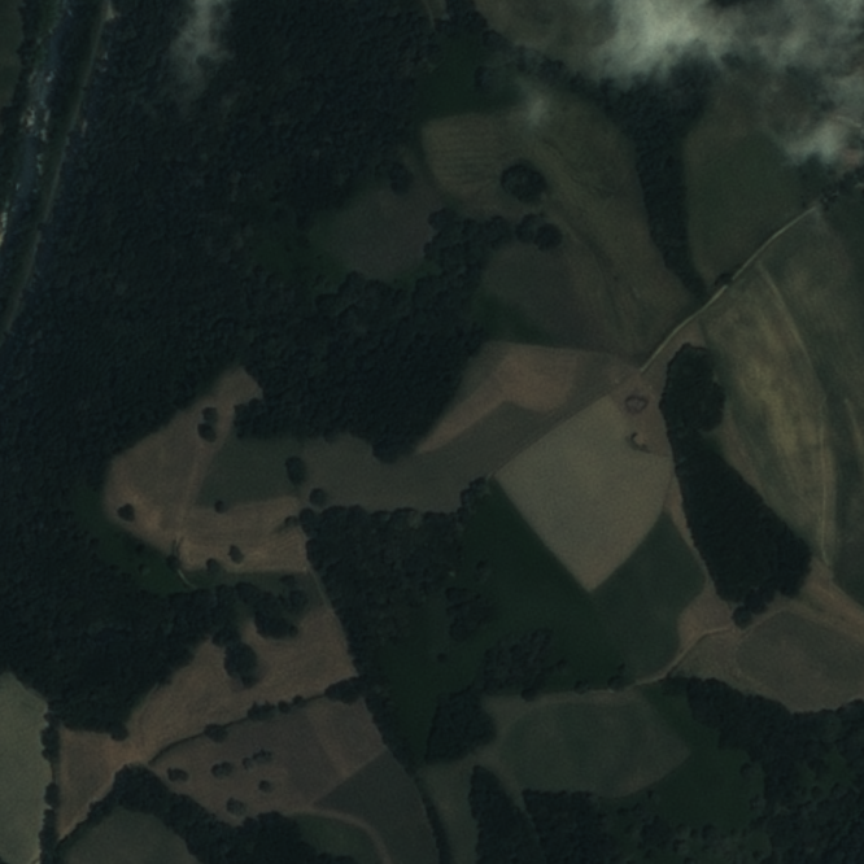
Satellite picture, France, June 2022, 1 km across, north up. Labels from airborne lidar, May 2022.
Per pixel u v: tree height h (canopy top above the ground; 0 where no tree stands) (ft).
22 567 85
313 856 61
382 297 47
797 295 0
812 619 0
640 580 0
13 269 59
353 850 0
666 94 78
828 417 0
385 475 0
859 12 88
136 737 0
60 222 43
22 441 84
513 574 0
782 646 0
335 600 44
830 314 0
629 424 0
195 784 0
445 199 0
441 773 0
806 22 72
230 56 69
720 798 0
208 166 89
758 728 74
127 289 53
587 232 0
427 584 49
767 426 0
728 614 0
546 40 0
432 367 72
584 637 0
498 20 0
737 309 0
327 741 0
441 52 54
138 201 92
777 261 0
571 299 0
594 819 38
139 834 0
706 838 52
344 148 77
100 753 0
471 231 54
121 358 96
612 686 41
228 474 0
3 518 61
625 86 70
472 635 37
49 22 75
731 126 0
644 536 0
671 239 52
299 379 80
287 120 69
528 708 0
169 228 78
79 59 75
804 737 34
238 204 76
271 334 82
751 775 55
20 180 0
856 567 0
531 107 0
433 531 61
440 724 50
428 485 0
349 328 71
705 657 0
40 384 114
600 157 0
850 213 0
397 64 68
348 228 0
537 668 48
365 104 95
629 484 0
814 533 0
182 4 93
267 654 0
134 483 0
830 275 0
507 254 0
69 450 79
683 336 0
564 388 0
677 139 51
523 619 0
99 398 83
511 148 0
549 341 0
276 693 0
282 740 0
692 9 48
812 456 0
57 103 80
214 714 0
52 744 65
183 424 0
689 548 0
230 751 0
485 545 0
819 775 32
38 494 57
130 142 100
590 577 0
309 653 0
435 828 33
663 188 63
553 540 0
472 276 66
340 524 58
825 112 32
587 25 0
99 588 70
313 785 0
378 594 54
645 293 0
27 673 72
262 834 86
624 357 0
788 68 36
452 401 43
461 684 0
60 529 35
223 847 80
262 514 0
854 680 0
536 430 0
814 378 0
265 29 102
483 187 0
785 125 0
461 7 73
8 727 0
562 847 63
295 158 83
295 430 73
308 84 66
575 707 0
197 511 0
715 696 78
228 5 85
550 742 0
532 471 0
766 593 45
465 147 0
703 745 0
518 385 0
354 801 0
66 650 72
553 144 0
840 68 48
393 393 87
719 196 0
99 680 64
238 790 0
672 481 0
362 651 74
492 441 0
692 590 0
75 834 29
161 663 65
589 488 0
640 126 21
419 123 0
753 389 0
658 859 43
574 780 0
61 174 0
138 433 92
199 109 76
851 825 57
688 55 53
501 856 73
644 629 0
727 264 0
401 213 0
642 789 0
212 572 32
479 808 66
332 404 88
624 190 0
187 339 85
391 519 48
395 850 0
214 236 70
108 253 63
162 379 88
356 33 77
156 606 50
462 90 0
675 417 57
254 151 83
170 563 52
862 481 0
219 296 73
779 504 0
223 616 85
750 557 71
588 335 0
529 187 58
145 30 100
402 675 0
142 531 0
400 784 0
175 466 0
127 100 33
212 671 0
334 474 0
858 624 0
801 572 86
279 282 42
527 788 0
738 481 69
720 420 52
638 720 0
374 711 49
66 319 124
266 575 0
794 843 54
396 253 0
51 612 95
